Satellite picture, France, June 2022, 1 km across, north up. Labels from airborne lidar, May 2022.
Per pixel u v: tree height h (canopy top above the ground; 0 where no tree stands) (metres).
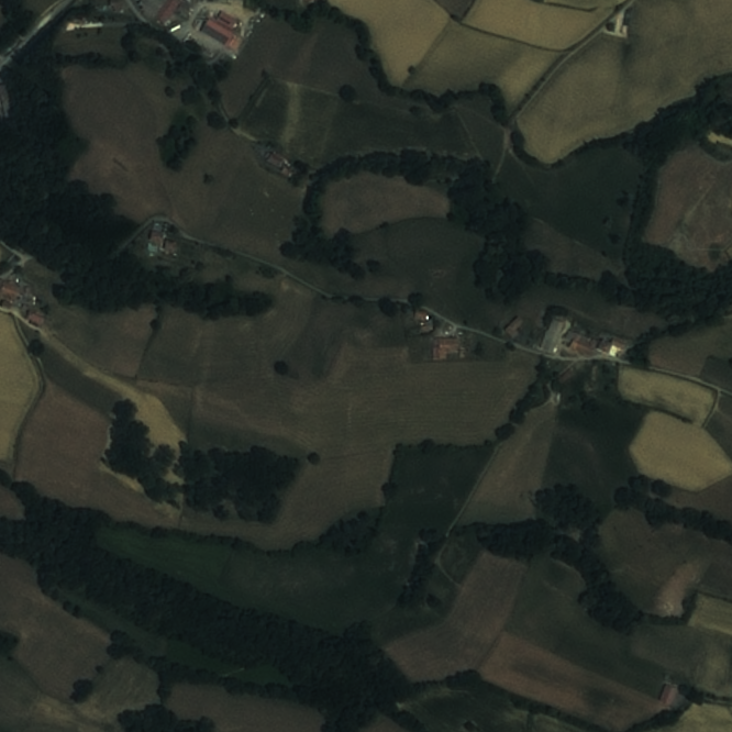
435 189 0
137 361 0
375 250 0
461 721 0
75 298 8
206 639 21
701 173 0
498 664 0
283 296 0
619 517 0
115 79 0
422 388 0
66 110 0
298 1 0
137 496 0
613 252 0
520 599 0
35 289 0
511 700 8
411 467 0
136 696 0
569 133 0
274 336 0
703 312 16
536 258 22
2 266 10
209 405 0
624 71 0
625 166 0
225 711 0
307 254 26
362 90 0
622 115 0
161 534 13
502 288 23
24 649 0
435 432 0
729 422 0
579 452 0
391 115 0
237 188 0
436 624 0
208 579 0
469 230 14
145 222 0
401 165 22
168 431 0
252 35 0
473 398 0
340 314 0
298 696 23
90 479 0
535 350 0
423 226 0
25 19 11
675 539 0
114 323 0
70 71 0
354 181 0
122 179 0
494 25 0
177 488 16
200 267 11
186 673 16
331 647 20
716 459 0
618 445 0
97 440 0
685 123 16
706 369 0
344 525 17
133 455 24
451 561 0
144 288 17
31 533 21
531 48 0
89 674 0
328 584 0
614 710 0
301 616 0
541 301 0
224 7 0
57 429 0
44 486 0
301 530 0
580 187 0
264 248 0
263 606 0
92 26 0
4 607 0
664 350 0
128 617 9
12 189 16
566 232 0
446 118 0
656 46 0
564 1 0
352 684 16
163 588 19
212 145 0
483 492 0
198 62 21
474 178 22
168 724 25
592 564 22
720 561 0
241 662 13
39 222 21
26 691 0
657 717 9
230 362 0
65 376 0
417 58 0
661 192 0
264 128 0
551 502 14
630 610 24
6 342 0
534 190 0
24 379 0
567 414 0
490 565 0
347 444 0
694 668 0
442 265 0
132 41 15
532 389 13
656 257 7
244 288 0
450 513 0
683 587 0
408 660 0
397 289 0
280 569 0
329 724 11
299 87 0
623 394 0
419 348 0
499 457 0
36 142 10
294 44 0
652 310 16
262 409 0
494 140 0
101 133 0
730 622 0
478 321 0
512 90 0
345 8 0
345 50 0
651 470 0
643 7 0
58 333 0
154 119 0
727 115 10
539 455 0
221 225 0
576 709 0
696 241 0
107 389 0
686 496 0
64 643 0
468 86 0
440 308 0
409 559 0
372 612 0
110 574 28
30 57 22
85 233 21
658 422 0
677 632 0
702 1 0
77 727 0
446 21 0
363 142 0
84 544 27
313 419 0
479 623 0
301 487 0
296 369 0
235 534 0
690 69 0
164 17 0
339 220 0
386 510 8
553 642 0
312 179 10
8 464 0
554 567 0
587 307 0
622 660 0
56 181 25
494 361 0
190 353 0
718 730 0
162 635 8
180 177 0
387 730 0
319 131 0
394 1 0
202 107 0
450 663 0
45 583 21
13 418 0
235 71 0
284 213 0
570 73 0
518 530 22
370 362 0
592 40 0
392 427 0
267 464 19
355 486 0
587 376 0
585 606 13
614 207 0
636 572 0
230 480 23
